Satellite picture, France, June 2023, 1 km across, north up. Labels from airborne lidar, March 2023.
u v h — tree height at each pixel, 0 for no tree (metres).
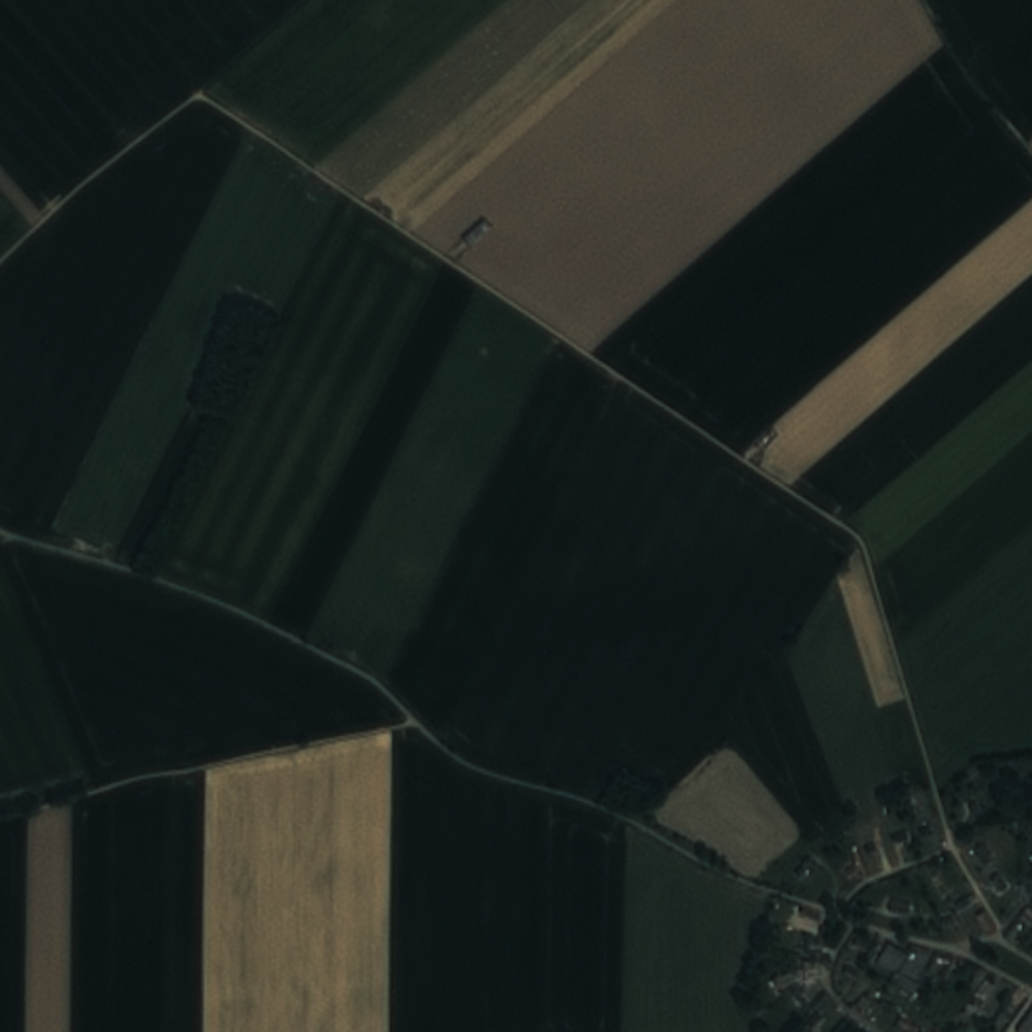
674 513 0
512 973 0
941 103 0
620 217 0
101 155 0
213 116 0
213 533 0
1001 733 0
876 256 0
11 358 0
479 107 0
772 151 0
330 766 0
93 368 0
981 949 19
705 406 0
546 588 0
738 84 0
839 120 0
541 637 0
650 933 0
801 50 0
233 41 0
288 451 0
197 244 0
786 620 0
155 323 0
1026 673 0
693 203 0
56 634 0
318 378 0
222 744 0
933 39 0
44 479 0
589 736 0
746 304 0
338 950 0
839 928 8
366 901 0
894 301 0
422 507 0
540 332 0
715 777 0
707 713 0
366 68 0
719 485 0
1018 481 0
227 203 0
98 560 0
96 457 0
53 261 0
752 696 0
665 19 0
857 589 0
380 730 0
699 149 0
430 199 0
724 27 0
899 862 0
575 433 0
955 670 0
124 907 0
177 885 0
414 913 0
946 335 0
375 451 0
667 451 0
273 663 0
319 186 0
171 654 0
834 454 0
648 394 0
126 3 0
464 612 0
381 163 0
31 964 0
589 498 0
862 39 0
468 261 0
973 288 0
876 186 0
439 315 0
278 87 0
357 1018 0
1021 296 0
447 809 0
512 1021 0
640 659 0
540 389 0
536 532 0
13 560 0
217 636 0
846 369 0
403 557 0
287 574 0
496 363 0
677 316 0
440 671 0
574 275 0
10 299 0
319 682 0
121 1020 0
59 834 0
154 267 0
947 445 0
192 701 0
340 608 0
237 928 0
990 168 0
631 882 0
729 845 0
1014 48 0
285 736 0
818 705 0
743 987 10
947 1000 0
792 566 0
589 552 0
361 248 0
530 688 0
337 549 0
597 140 0
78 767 0
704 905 0
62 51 0
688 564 0
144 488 0
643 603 0
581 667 0
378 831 0
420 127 0
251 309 21
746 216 0
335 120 0
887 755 0
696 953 0
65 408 0
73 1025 0
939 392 0
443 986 0
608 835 0
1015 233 0
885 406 0
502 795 0
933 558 0
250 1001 0
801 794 0
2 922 0
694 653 0
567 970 0
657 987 0
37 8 0
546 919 0
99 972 0
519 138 0
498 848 0
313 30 0
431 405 0
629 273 0
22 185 0
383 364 0
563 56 0
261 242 0
